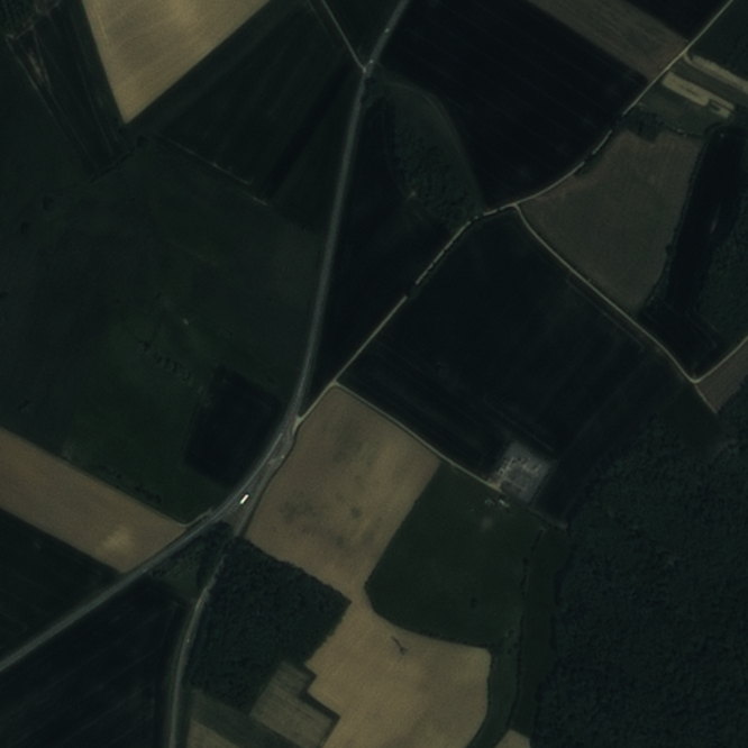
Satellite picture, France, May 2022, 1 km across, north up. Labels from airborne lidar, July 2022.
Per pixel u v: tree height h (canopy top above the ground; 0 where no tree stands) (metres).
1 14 9
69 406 0
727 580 15
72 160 0
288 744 0
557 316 0
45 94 0
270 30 0
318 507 0
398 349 0
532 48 0
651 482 22
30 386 0
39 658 0
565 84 0
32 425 0
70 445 0
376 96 13
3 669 0
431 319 0
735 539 19
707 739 30
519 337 0
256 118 0
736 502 8
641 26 0
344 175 0
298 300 0
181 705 0
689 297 0
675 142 0
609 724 28
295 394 0
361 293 0
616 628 17
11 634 0
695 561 15
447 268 0
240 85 0
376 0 0
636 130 8
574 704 25
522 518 0
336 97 0
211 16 0
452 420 0
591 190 0
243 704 20
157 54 0
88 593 0
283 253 0
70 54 0
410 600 0
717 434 0
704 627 16
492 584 0
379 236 0
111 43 0
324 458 0
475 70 0
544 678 0
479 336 0
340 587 0
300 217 0
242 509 0
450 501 0
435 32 0
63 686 0
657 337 0
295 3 0
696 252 0
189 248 0
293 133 0
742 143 0
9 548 0
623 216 0
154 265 0
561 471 0
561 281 0
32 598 0
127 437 0
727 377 0
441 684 0
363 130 0
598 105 0
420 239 0
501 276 0
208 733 0
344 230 0
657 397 0
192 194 0
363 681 0
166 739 0
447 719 0
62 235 0
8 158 0
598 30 0
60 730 0
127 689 0
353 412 0
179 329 0
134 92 0
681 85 0
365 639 0
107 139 0
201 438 0
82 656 0
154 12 0
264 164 0
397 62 0
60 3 0
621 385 0
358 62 0
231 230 0
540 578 0
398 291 0
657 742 15
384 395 0
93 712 0
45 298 0
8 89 0
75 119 0
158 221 0
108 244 0
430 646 0
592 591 23
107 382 0
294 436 0
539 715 12
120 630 0
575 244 0
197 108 0
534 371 0
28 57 0
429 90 0
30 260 0
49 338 0
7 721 0
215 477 0
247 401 0
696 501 15
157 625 0
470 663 0
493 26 0
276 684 0
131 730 0
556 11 0
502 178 0
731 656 11
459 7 0
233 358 0
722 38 0
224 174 0
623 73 0
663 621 16
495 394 0
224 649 19
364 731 0
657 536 20
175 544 0
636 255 0
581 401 0
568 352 0
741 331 9
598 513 21
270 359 0
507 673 0
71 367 0
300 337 0
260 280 0
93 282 0
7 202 0
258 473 0
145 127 0
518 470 0
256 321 0
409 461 0
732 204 0
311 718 0
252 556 26
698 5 0
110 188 0
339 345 0
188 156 0
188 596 0
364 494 0
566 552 0
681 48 0
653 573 13
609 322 0
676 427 0
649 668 20
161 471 0
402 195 0
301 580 26
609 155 0
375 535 0
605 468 21
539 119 0
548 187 0
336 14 0
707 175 0
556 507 0
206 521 0
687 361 0
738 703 24
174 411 0
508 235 0
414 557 0
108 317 0
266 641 25
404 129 8
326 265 0
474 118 0
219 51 0
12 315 0
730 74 0
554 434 0
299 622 26
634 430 0
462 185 9
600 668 11
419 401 0
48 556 0
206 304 0
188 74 0
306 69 0
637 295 0
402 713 0
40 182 0
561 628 24
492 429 0
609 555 20
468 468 0
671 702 11
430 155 11
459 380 0
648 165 0
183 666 0
